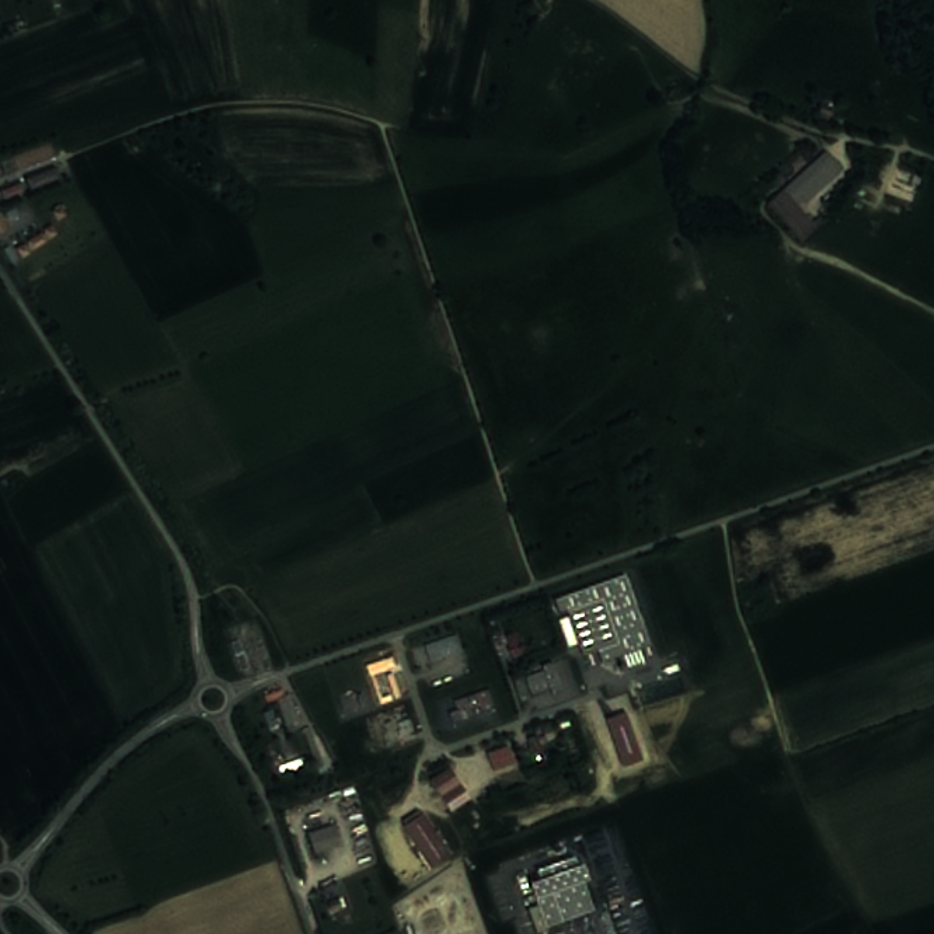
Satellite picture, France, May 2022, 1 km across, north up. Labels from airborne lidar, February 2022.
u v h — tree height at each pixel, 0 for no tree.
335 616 0
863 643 0
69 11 0
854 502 0
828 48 0
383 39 0
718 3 0
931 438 0
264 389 0
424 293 0
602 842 0
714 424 0
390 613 0
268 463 0
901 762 0
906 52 14
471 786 0
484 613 7
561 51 0
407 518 0
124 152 0
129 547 0
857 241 0
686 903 0
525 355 0
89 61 0
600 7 0
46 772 0
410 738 0
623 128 0
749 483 0
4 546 0
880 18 9
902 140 0
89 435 0
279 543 0
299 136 0
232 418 0
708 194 0
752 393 0
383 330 0
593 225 0
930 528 0
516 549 0
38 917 0
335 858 0
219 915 0
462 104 0
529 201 0
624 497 0
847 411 0
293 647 0
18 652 0
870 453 0
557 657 0
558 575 0
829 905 0
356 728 0
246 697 0
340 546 0
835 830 0
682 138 12
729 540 0
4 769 0
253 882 0
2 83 0
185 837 0
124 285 0
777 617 0
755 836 0
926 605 0
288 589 0
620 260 0
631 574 0
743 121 0
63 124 0
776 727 0
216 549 0
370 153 0
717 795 0
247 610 0
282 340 0
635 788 0
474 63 0
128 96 0
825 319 0
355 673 0
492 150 0
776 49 0
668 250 0
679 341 0
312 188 0
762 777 0
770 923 0
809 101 12
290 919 0
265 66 0
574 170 0
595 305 0
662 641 0
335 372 0
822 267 0
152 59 0
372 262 0
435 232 0
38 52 0
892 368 0
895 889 0
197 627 0
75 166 0
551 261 0
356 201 0
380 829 0
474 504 0
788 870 0
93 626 0
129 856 0
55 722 0
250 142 0
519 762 9
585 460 0
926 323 0
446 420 0
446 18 0
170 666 0
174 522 6
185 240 0
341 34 0
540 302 0
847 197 9
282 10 0
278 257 0
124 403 0
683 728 0
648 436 0
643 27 0
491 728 0
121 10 0
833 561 0
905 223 0
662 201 0
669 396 0
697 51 0
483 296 0
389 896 0
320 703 0
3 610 0
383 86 0
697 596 0
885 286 0
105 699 0
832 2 0
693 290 0
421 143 0
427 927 0
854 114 0
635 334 0
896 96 0
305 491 0
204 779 0
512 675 7
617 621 0
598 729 0
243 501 0
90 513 0
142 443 0
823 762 0
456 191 0
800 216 0
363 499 0
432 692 0
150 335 0
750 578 0
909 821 0
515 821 0
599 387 0
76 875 0
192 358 0
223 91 0
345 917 0
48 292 0
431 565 0
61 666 0
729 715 0
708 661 0
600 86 0
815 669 0
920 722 0
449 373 0
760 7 0
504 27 0
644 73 0
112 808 0
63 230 0
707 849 0
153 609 0
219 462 0
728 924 0
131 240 0
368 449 0
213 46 0
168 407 0
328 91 0
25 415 0
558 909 0
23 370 0
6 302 0
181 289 0
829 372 0
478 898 0
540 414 0
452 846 0
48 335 14
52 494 0
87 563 0
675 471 0
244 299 0
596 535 0
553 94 0
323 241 0
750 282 0
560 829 0
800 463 0
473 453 0
